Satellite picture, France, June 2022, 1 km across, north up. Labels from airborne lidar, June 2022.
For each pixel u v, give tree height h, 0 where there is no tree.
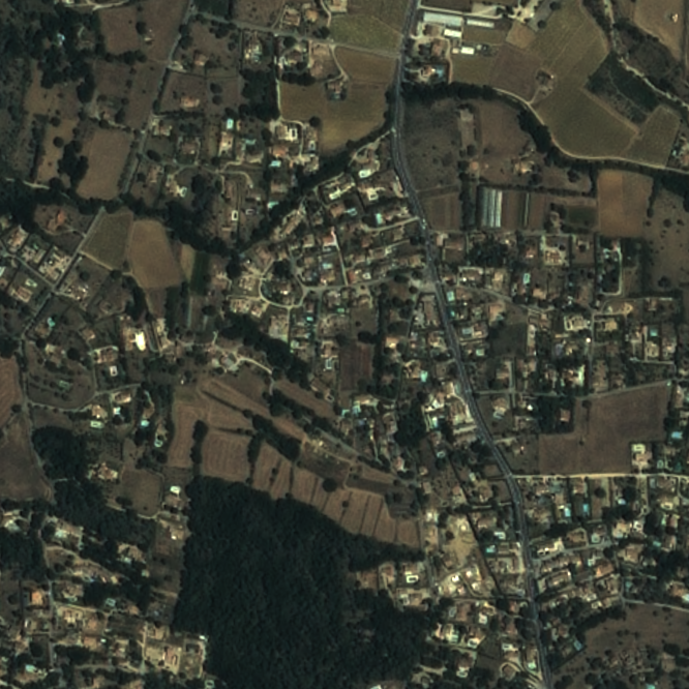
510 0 0
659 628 0
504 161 0
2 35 11
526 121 16
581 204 0
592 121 0
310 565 19
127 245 0
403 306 9
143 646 0
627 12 0
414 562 8
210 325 0
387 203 9
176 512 14
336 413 7
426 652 11
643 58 0
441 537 0
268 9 0
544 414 15
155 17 0
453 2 0
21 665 10
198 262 0
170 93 0
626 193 0
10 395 0
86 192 0
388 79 0
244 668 15
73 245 0
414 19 0
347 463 0
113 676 12
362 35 0
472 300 6
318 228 6
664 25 0
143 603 17
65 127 0
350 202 9
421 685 9
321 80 0
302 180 14
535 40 0
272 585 15
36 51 11
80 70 18
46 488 0
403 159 0
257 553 22
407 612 11
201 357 9
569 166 12
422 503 10
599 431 0
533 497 9
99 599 14
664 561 24
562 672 8
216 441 0
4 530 12
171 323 8
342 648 16
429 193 0
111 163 0
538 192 9
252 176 0
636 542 10
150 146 0
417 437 13
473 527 11
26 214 22
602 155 0
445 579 0
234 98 0
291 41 13
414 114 0
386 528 0
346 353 0
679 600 8
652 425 0
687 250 0
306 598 17
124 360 8
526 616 15
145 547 15
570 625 8
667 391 0
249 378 0
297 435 0
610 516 20
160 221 0
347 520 0
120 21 0
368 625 16
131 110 0
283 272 13
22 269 9
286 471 0
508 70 0
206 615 12
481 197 6
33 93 0
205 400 0
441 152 0
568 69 0
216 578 15
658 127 0
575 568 9
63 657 12
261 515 21
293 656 20
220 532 13
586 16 0
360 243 6
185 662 0
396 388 7
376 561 14
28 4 10
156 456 12
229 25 9
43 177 0
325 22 0
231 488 14
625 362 10
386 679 22
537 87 0
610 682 10
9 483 0
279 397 13
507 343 0
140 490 0
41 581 12
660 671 9
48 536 12
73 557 13
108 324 0
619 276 8
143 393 8
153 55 0
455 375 11
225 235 0
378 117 0
